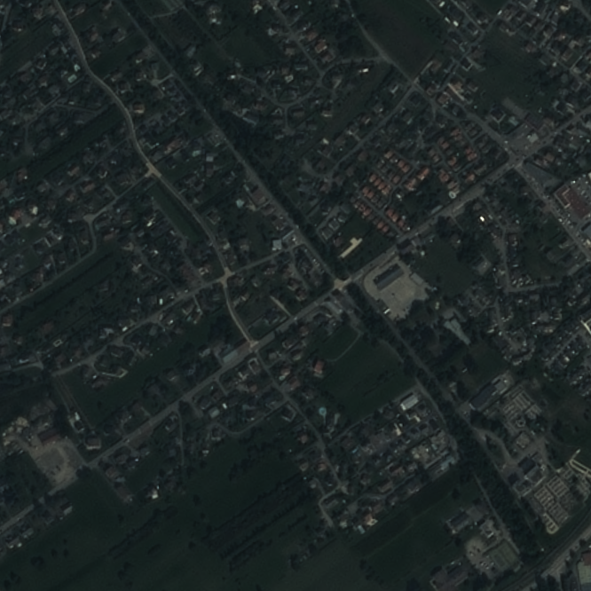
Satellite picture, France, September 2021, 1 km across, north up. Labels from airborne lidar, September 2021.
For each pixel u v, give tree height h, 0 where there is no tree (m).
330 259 19
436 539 0
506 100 0
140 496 0
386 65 0
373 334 11
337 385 0
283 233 0
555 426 0
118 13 0
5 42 19
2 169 0
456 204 0
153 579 0
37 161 9
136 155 6
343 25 9
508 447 9
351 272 11
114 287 12
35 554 0
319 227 0
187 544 0
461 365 0
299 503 8
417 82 0
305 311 0
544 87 9
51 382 16
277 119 0
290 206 15
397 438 0
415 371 18
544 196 0
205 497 0
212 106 16
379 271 0
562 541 0
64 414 10
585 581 0
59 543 0
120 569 0
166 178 0
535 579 0
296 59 6
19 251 0
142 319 0
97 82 0
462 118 17
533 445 0
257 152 10
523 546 14
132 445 0
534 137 0
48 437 0
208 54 0
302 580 0
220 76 7
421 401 0
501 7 0
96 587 0
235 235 7
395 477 7
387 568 0
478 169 0
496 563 0
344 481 7
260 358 0
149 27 15
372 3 0
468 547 0
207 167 0
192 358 14
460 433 15
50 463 0
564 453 0
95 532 0
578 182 0
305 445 5
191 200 12
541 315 0
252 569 0
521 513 16
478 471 22
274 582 0
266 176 11
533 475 0
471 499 0
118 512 0
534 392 0
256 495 0
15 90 6
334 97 0
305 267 0
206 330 0
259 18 8
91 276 0
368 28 14
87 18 0
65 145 7
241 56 0
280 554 0
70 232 9
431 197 6
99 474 0
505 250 0
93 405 0
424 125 8
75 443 0
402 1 0
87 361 0
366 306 19
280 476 0
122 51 0
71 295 0
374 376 0
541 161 0
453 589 0
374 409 0
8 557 0
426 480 11
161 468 0
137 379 0
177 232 0
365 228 0
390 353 0
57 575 0
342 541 0
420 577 0
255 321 0
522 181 6
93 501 0
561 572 0
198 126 7
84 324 0
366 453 0
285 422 0
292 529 8
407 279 0
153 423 0
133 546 13
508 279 0
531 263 0
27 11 12
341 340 0
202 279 0
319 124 0
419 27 0
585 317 0
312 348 0
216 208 8
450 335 13
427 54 0
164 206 0
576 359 0
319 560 0
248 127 11
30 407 0
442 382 18
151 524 9
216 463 0
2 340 0
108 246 0
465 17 7
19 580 10
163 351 0
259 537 9
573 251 0
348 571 0
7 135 7
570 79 11
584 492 0
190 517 0
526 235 6
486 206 6
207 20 0
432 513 0
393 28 0
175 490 8
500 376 0
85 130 6
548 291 10
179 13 7
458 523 0
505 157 5
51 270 8
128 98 6
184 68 15
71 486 0
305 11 0
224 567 0
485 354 0
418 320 0
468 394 20
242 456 0
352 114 0
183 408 13
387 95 0
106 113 6
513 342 0
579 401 0
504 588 0
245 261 8
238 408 6
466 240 13
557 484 0
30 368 0
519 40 0
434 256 0
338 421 0
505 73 0
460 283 0
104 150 8
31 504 0
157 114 0
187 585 0
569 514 0
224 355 0
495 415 0
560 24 12
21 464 0
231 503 0
